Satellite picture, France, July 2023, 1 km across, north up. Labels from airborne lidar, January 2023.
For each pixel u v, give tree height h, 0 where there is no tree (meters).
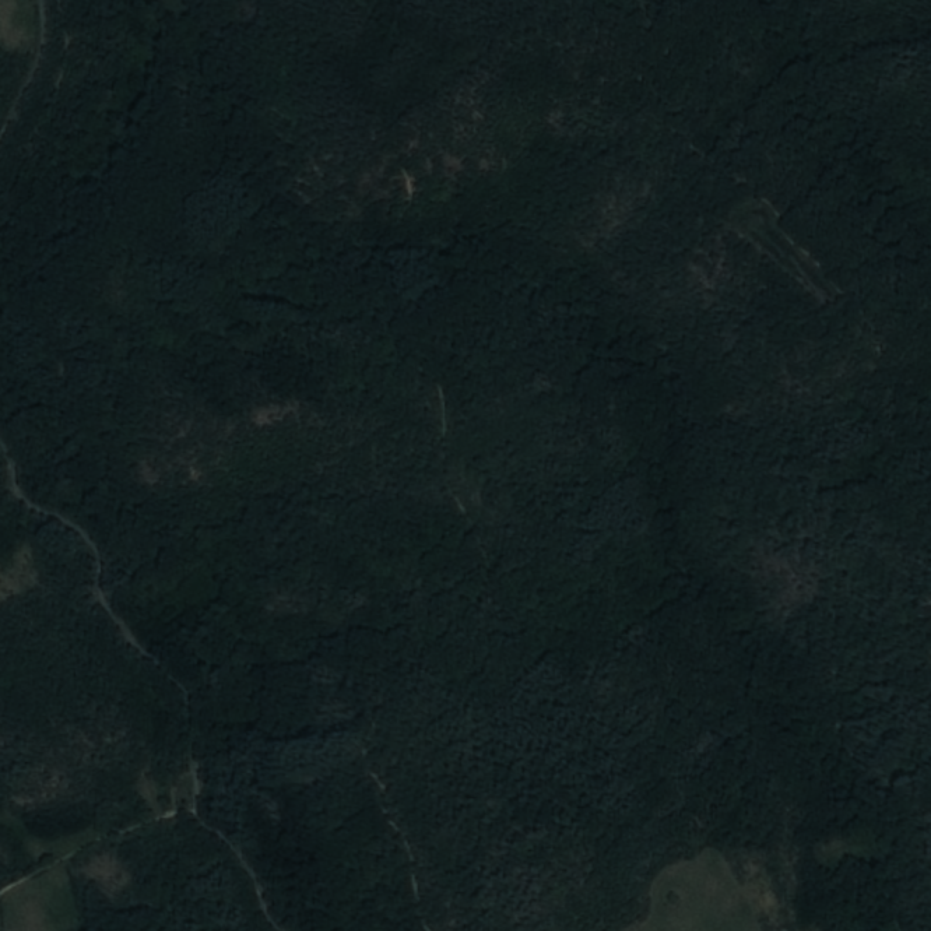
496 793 11
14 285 8
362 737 23
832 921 14
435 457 12
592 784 15
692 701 19
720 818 21
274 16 14
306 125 15
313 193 13
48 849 0
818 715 19
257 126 19
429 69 8
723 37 24
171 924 10
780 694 31
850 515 17
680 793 16
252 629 10
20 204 15
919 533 12
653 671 17
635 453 18
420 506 12
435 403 11
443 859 6
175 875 11
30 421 23
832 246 18
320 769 26
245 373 18
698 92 16
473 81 14
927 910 10
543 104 14
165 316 9
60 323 14
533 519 9
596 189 13
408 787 9
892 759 24
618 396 22
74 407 15
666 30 18
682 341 17
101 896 9
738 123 14
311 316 19
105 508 29
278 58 15
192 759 15
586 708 15
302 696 7
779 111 25
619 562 9
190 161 16
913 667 12
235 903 9
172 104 19
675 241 14
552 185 19
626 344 20
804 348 8
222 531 17
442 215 16
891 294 24
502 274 19
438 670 13
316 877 10
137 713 9
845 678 12
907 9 15
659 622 20
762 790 15
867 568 15
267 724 24
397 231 17
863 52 16
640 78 13
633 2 18
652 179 7
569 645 11
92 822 11
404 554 12
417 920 9
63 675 15
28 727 8
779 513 15
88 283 19
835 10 11
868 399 14
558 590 9
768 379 13
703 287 9
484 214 22
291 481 17
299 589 11
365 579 7
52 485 20
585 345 21
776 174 18
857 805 25
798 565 13
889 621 15
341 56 7
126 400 10
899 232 26
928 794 18
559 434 10
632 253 17
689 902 0
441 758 9
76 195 28
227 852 16
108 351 10
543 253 17
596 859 10
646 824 17
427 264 26
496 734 16
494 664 20
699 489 14
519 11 16
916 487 17
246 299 12
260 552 6
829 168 8
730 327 16
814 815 9
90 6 14
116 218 22
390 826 10
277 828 24
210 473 9
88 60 12
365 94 7
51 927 0
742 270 11
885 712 9
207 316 21
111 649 14
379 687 9
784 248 0
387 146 6
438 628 14
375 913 6
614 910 10
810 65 25
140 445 10
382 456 11
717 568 14
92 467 24
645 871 16
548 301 26
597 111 12
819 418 10
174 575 22
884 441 17
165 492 14
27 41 0
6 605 9
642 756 20
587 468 14
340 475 14
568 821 12
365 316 15
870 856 0
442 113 11
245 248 16
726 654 18
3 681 16
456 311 19
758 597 13
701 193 19
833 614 21
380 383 12
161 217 22
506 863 8
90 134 16
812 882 15
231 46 13
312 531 16
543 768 11
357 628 8
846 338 8
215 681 21
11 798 7
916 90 9
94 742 6
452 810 10
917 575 10
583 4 21
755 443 14
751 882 0
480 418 8
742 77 14
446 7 14
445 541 12
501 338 20
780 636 16
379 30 8
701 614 19
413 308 19
